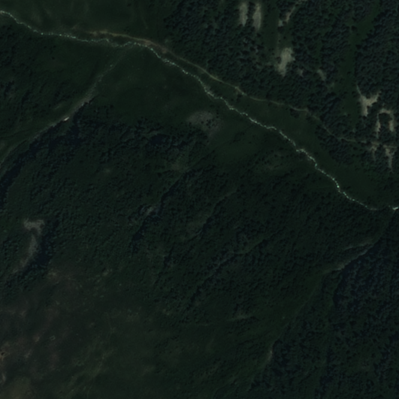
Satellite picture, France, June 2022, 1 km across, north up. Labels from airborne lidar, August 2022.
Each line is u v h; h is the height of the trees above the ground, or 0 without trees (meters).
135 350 0
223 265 25
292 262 11
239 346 7
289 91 14
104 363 0
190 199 10
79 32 0
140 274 6
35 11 0
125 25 0
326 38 12
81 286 0
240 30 13
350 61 0
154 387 0
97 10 0
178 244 11
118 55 0
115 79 0
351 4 5
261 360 14
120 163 11
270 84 18
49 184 7
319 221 7
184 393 8
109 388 0
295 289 14
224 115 0
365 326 12
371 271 24
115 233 12
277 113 0
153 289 9
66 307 0
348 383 14
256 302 19
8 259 8
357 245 7
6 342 0
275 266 8
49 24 0
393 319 25
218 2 13
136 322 0
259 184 6
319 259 13
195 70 7
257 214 7
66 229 9
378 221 12
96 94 0
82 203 9
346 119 13
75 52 0
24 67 15
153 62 0
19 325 0
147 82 0
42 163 12
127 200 7
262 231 13
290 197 8
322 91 25
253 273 11
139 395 0
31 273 8
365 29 0
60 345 0
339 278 11
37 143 14
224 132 0
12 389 0
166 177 7
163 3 16
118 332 0
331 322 13
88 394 0
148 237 13
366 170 9
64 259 0
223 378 12
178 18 9
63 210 8
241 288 13
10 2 0
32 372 0
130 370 0
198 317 11
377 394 8
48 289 0
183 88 0
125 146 16
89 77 0
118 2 0
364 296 18
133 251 12
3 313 0
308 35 10
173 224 8
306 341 14
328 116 33
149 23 0
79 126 7
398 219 11
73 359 0
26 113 14
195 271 13
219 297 7
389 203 6
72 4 0
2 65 9
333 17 19
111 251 9
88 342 0
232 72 17
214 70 15
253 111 0
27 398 0
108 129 17
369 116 15
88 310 0
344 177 0
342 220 12
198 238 7
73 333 0
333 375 12
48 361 0
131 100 0
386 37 23
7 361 0
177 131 9
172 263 15
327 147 14
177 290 7
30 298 0
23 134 7
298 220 12
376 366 10
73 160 6
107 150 6
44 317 0
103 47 0
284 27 10
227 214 16
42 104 6
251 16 20
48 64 0
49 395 0
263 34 8
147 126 9
